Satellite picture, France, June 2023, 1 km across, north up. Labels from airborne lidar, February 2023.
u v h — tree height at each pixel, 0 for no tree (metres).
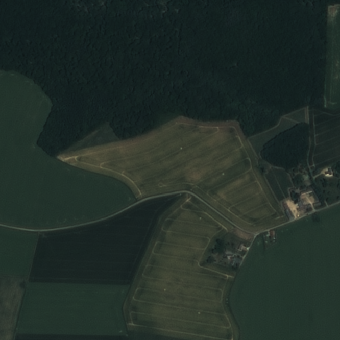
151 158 0
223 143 0
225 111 25
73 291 0
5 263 0
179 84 22
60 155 0
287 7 26
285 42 21
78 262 0
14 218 0
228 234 0
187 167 0
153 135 0
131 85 23
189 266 0
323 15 15
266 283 0
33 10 21
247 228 0
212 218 0
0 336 0
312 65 23
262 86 25
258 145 0
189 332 0
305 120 0
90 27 27
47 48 21
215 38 23
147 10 25
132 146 0
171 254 0
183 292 0
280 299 0
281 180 0
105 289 0
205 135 0
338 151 0
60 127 19
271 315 0
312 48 24
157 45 23
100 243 0
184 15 26
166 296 0
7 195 0
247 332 0
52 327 0
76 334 0
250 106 25
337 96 0
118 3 26
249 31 14
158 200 0
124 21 21
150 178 0
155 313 0
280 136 11
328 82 0
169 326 0
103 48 26
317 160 0
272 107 26
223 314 0
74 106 21
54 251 0
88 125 16
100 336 0
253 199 0
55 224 0
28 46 26
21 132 0
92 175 0
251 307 0
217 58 24
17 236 0
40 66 24
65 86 22
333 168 9
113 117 12
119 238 0
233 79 23
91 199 0
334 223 0
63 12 26
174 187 0
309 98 28
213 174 0
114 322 0
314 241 0
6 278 0
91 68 24
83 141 0
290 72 21
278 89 23
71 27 20
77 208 0
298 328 0
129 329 0
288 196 0
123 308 0
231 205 0
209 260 19
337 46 0
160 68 23
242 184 0
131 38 25
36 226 0
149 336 0
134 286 0
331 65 0
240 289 0
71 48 20
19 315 0
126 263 0
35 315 0
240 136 0
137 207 0
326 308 0
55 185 0
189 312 0
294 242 0
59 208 0
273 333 0
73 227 0
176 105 13
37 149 0
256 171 0
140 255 0
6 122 0
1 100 0
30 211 0
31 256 0
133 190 0
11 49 24
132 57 26
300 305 0
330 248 0
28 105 0
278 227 0
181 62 21
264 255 0
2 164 0
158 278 0
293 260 0
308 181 0
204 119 20
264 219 0
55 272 0
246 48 21
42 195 0
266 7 23
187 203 0
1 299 0
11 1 24
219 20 21
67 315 0
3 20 24
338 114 0
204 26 23
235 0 16
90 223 0
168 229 0
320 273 0
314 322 0
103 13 27
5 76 0
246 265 0
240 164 0
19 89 0
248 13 15
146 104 20
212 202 0
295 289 0
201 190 0
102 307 0
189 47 23
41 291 0
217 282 0
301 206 0
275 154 24
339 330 0
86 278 0
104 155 0
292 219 0
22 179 0
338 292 0
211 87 24
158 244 0
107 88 23
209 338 0
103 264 0
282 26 22
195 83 22
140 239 0
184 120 0
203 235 0
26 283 0
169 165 0
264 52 21
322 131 0
